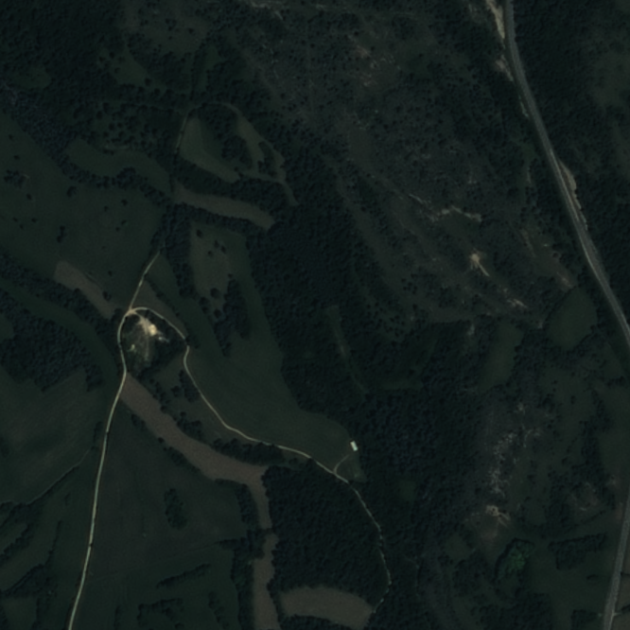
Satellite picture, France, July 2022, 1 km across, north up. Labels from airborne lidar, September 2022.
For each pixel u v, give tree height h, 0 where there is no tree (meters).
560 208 10
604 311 15
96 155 0
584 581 0
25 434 0
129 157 0
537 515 0
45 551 0
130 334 0
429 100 9
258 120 14
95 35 18
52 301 13
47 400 0
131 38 9
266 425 0
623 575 11
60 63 14
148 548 0
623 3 0
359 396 7
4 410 0
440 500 7
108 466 0
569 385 0
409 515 9
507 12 0
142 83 0
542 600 11
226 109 9
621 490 0
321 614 0
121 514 0
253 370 0
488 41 6
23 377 7
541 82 8
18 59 7
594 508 0
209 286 0
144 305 0
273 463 9
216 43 16
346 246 7
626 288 8
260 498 0
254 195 8
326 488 9
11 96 25
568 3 11
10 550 12
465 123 9
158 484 0
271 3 0
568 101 6
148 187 12
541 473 0
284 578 15
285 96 13
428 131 7
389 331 12
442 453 7
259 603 0
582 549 10
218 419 0
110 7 6
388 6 6
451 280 0
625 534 0
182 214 22
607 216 13
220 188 8
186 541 0
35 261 0
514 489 0
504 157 6
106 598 0
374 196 10
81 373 0
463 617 0
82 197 0
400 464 8
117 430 0
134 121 13
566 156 8
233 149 19
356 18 8
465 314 0
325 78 10
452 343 12
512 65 0
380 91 0
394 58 0
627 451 0
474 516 0
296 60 11
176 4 0
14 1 16
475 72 13
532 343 7
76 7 8
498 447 0
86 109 15
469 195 9
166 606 12
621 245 12
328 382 10
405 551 9
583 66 6
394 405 22
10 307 12
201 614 0
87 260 0
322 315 9
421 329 7
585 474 6
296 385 9
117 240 0
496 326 6
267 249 10
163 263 0
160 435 0
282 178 0
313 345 7
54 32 10
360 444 11
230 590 0
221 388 0
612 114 6
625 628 0
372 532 12
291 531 19
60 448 0
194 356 0
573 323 0
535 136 7
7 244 0
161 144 7
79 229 0
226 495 0
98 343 0
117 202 0
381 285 6
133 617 0
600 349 6
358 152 0
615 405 0
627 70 0
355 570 14
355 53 0
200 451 0
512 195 15
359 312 7
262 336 0
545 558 0
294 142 12
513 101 14
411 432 16
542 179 8
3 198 0
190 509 0
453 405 6
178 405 0
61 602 0
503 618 6
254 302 0
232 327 13
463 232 0
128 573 0
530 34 9
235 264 0
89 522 0
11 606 0
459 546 0
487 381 0
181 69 13
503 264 8
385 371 8
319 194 10
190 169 8
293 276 8
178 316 11
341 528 16
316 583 16
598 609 0
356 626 0
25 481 0
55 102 15
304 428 0
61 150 25
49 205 0
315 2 6
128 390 0
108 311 0
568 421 0
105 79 19
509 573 12
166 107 8
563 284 0
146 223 0
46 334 14
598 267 0
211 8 8
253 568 17
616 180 8
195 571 6
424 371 6
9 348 15
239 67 7
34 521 8
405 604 19
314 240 18
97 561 0
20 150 0
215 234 0
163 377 0
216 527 0
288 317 7
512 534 0
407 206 0
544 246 0
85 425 0
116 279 0
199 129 0
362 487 12
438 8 8
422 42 0
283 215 11
